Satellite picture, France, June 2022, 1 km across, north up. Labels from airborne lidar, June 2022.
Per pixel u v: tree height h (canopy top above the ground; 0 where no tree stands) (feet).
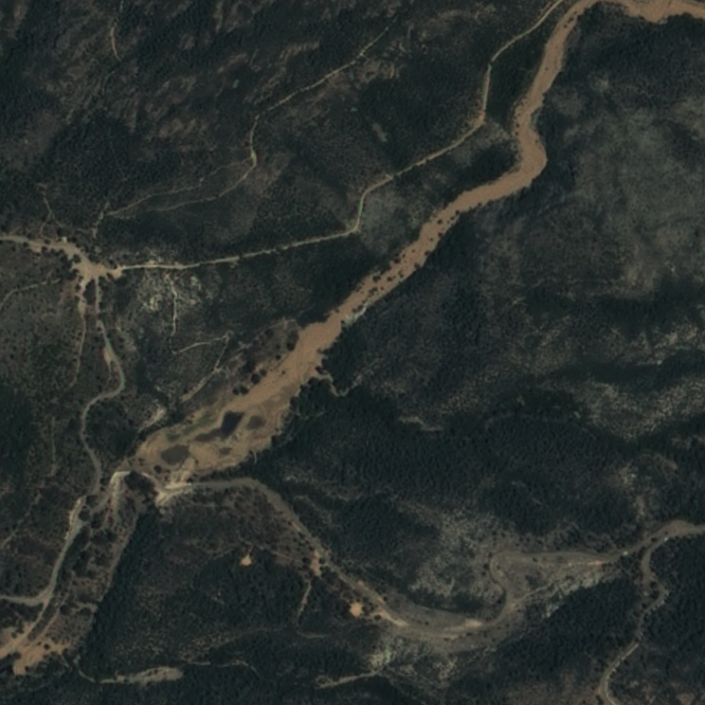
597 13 25
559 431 33
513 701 0
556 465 38
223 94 20
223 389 0
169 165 35
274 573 53
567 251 0
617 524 36
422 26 0
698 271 0
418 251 0
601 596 31
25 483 23
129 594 31
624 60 26
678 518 45
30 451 29
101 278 29
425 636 0
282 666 42
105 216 18
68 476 31
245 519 42
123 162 32
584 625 45
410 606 0
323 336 0
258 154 19
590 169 0
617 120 0
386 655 0
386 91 24
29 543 41
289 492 21
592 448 31
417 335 26
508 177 0
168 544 40
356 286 28
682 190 0
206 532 39
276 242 18
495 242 0
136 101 0
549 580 0
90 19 0
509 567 0
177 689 27
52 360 24
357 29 24
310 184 0
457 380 23
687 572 48
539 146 0
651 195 0
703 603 50
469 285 19
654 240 0
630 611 40
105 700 23
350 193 0
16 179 29
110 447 42
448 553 0
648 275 0
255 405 0
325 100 0
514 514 39
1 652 0
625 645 46
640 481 17
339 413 38
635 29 29
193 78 0
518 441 36
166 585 27
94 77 26
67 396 52
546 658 45
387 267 25
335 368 27
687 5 0
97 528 62
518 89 33
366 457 37
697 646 32
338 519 17
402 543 32
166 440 0
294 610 29
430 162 25
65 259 31
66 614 59
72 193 20
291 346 43
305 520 27
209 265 23
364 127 26
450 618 0
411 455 35
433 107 23
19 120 38
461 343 31
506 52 27
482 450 40
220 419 0
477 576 0
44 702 41
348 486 34
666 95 28
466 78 27
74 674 29
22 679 30
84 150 32
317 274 27
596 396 0
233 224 0
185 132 0
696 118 0
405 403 33
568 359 0
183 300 0
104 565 64
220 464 0
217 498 40
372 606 27
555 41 0
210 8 33
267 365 0
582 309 22
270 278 30
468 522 0
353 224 0
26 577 20
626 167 0
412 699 22
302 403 32
